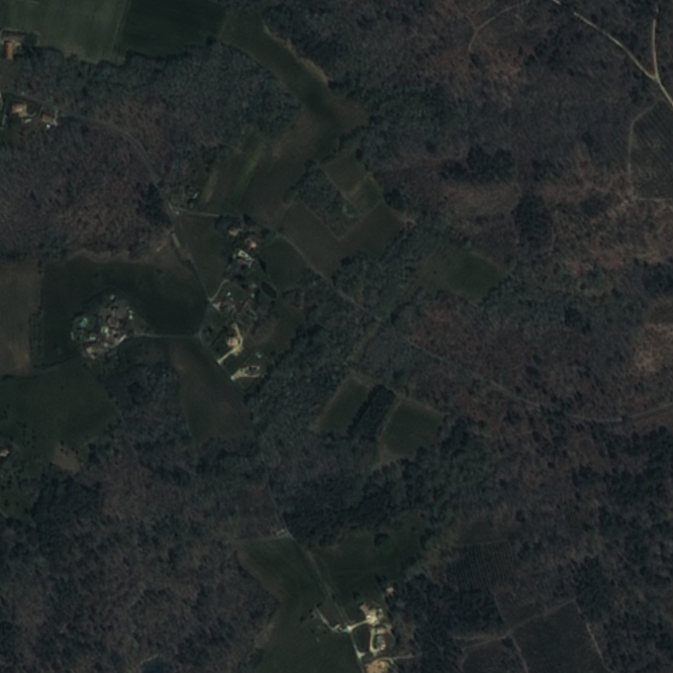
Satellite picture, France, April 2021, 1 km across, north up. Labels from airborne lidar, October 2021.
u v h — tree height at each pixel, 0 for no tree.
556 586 7
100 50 0
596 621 26
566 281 14
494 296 12
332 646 0
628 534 23
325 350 18
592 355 10
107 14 0
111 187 11
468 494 11
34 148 11
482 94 15
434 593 18
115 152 11
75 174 9
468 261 0
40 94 8
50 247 12
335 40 18
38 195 10
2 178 19
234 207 0
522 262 7
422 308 7
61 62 20
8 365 0
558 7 8
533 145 9
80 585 13
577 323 22
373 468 12
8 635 23
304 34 24
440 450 8
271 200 0
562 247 11
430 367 10
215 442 11
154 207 18
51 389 0
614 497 16
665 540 16
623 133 10
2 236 17
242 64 19
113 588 10
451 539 17
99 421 0
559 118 12
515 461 10
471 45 0
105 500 29
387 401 16
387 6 14
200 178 0
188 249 0
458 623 22
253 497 0
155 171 8
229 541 18
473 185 28
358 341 12
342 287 19
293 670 0
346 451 16
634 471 7
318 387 14
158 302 0
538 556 15
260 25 0
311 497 17
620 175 11
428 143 13
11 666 29
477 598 16
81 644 16
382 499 19
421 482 14
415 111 15
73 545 12
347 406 0
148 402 27
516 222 10
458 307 20
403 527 9
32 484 11
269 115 21
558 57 13
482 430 17
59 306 0
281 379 14
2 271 0
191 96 21
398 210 22
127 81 21
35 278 0
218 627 16
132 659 17
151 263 0
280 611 0
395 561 0
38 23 0
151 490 8
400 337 16
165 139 8
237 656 13
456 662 14
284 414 18
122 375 7
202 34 0
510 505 11
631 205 16
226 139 18
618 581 22
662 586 20
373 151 19
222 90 16
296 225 0
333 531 18
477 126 18
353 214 17
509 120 14
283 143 0
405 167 17
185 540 12
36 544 16
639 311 18
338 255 0
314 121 0
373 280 18
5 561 16
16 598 12
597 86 15
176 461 18
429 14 10
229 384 0
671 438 12
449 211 14
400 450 0
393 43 13
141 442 20
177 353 0
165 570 18
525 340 8
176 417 9
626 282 14
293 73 0
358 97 21
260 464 16
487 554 6
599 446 21
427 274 0
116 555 15
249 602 9
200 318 0
